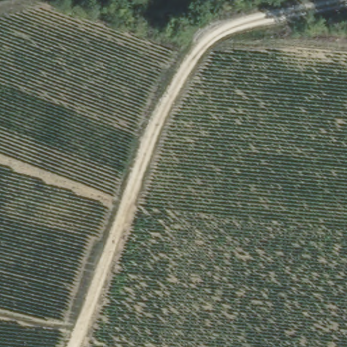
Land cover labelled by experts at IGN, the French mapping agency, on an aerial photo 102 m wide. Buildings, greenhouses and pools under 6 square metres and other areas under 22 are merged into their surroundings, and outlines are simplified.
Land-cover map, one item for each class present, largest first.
<instances>
[{"label":"vineyard","instance_id":"1","mask_svg":"<svg viewBox=\"0 0 347 347\"><path fill-rule=\"evenodd\" d=\"M24 14L19 15V18L0 15V347H68L104 245L107 243L108 234L117 217L141 138L173 76L195 46L192 41L187 46L172 42L171 39L167 42H153L138 37L136 33H129L126 27H110L100 20H89L84 9L80 14L66 11L62 14L60 9L41 1L33 5L24 4ZM137 211L131 230H122L121 239L111 260L110 272L98 298L100 310H95L92 314L91 325L81 340L80 347H347V34L332 33L324 24L319 35L304 39L294 38L239 41L230 39L228 35L207 47L169 107L142 175L140 190L134 201Z\"/></svg>","mask_w":347,"mask_h":347},{"label":"deciduous trees","instance_id":"2","mask_svg":"<svg viewBox=\"0 0 347 347\"><path fill-rule=\"evenodd\" d=\"M41 1L60 9L62 14L66 11L80 14L84 9L89 20H100L110 27H126L129 33H136L138 37L153 42H167L171 39L172 42L187 46L192 41L198 28L206 27L207 24L220 20L226 22L258 12L278 11L291 5L308 3L309 0H41ZM286 22L293 30L294 38L304 39L319 35L324 24L332 33L347 34V15L335 11L314 12L301 18H291Z\"/></svg>","mask_w":347,"mask_h":347},{"label":"pervious surface","instance_id":"3","mask_svg":"<svg viewBox=\"0 0 347 347\"><path fill-rule=\"evenodd\" d=\"M335 11L347 15V0H309L308 3L291 5L278 11L258 12L226 22L220 20L207 24L206 27L198 28L192 41L195 46L173 76L141 138L117 217L108 234L107 243L104 245L68 347H80L81 340L91 325L92 314L95 310H100L98 298L110 272L111 260L121 239L122 230H131L137 211L134 201L140 190L142 175L169 107L207 47L228 35L264 24L286 22L291 18H301L314 12Z\"/></svg>","mask_w":347,"mask_h":347},{"label":"herbaceous vegetation","instance_id":"4","mask_svg":"<svg viewBox=\"0 0 347 347\"><path fill-rule=\"evenodd\" d=\"M41 1V0H0V15L19 18V15L24 14V4L33 5ZM230 39L239 41L294 38L293 30L286 22L264 24L228 35Z\"/></svg>","mask_w":347,"mask_h":347}]
</instances>
